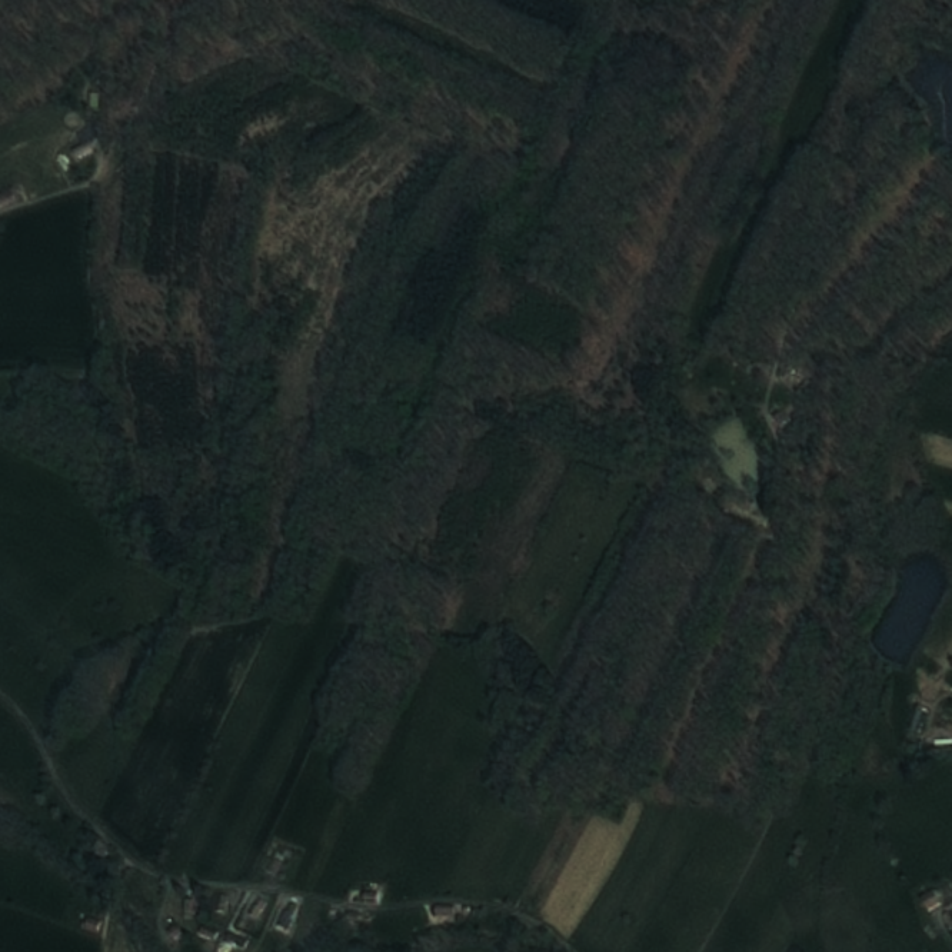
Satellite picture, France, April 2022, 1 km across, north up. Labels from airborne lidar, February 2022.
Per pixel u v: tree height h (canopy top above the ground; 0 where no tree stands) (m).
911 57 0
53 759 0
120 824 0
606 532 0
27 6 30
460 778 0
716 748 29
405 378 27
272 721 0
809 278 29
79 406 25
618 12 25
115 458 12
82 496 17
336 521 26
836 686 26
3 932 0
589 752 32
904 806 0
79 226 0
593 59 14
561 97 24
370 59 25
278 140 8
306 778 0
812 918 0
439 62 27
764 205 0
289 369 0
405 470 26
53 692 0
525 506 0
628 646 29
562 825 0
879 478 23
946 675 0
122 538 24
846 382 30
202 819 0
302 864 0
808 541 28
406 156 0
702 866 0
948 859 0
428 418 29
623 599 31
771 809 29
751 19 22
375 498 29
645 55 11
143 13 22
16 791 0
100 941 0
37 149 0
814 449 12
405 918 0
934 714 0
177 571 22
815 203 29
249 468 25
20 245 0
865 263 0
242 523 19
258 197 21
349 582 0
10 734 0
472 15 29
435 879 0
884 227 0
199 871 0
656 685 21
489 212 20
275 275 0
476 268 17
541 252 25
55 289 0
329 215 0
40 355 0
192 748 0
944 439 0
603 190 30
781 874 0
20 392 23
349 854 0
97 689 31
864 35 30
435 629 30
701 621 29
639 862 0
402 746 0
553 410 16
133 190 12
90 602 0
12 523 0
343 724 21
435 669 0
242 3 31
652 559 30
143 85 0
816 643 29
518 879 0
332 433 26
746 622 27
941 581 0
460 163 26
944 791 0
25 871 0
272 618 17
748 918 0
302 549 25
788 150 0
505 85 27
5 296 0
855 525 20
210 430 11
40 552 0
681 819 0
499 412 12
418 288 23
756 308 29
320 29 22
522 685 20
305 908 0
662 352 16
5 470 0
